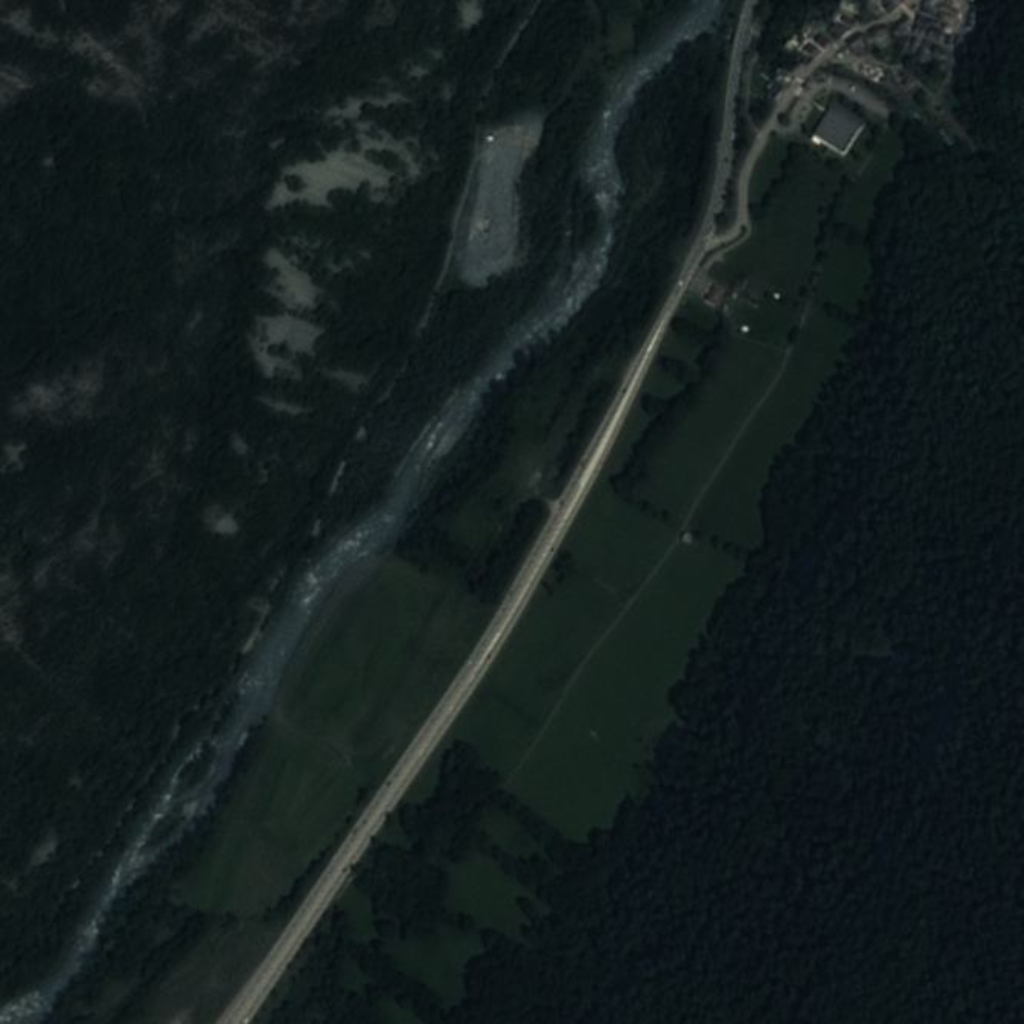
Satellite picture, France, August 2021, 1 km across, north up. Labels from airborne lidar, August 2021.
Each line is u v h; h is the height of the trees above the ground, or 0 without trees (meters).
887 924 26
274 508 16
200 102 11
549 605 0
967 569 29
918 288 26
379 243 15
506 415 6
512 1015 23
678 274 0
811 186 0
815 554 27
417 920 18
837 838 29
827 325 0
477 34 19
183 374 11
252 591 11
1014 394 22
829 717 25
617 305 6
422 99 10
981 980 27
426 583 0
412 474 0
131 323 19
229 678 15
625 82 0
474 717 0
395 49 15
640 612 0
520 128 0
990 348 17
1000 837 21
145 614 12
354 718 0
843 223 14
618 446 0
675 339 0
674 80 15
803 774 25
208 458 17
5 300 19
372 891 15
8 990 9
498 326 8
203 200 10
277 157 8
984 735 21
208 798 0
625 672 0
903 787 34
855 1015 30
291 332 0
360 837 0
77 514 11
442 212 17
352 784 0
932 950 25
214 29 9
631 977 15
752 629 25
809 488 26
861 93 0
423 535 11
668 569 0
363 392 10
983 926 23
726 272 0
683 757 26
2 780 13
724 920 31
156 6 6
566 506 0
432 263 19
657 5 17
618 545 0
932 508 27
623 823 14
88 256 18
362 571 0
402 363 16
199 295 12
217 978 0
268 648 0
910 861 18
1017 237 18
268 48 7
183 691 11
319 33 14
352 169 0
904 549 23
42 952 17
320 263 11
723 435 0
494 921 0
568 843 18
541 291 16
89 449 20
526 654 0
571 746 0
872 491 25
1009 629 26
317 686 0
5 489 17
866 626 23
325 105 9
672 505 0
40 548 8
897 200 27
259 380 14
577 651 0
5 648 7
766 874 20
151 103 12
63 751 8
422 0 12
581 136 11
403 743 0
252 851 0
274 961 0
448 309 12
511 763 0
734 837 31
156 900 9
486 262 0
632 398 0
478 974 24
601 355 8
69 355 18
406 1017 0
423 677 0
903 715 26
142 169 16
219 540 15
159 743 11
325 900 0
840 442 26
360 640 0
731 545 10
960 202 22
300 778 0
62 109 21
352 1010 17
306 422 15
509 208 0
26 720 15
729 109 0
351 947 18
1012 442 23
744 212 0
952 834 26
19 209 24
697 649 0
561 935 24
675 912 24
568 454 8
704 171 9
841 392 23
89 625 12
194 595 18
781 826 26
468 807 20
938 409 22
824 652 22
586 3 20
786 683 21
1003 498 25
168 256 15
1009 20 24
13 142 17
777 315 0
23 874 12
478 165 0
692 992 15
